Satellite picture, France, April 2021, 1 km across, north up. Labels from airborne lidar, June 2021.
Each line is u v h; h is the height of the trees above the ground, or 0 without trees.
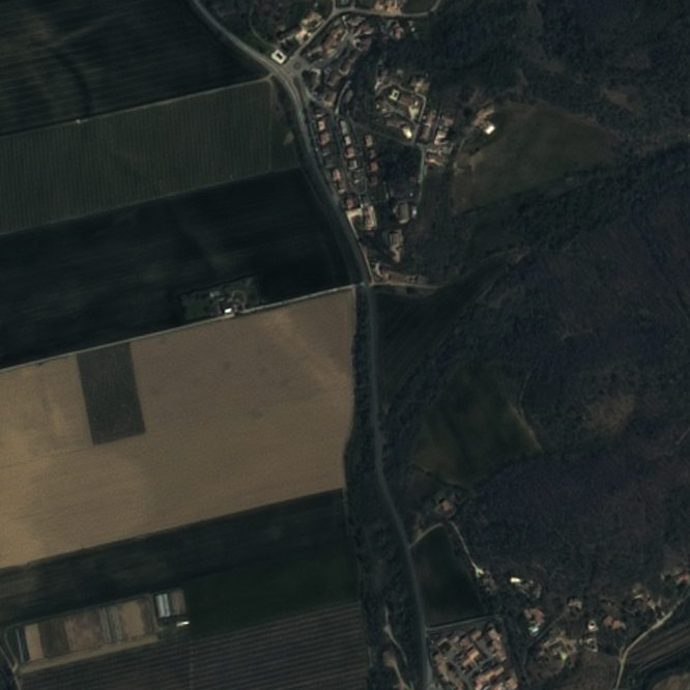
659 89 21
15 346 0
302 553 0
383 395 0
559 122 0
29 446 0
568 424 7
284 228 0
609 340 15
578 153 0
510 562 14
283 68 0
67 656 0
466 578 0
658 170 15
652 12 6
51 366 0
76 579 0
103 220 0
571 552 16
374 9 0
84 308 0
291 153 0
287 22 7
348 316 0
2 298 0
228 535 0
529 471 15
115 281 0
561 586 6
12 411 0
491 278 0
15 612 0
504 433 0
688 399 11
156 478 0
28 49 0
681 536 10
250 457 0
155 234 0
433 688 0
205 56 0
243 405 0
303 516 0
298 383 0
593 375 12
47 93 0
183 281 0
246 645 6
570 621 12
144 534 0
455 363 12
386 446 6
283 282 0
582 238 10
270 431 0
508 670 0
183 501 0
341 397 0
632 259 14
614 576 11
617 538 11
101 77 0
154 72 0
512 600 15
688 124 13
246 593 0
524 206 7
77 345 0
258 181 0
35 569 0
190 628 0
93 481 0
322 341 0
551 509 16
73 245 0
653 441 13
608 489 12
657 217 14
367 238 10
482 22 16
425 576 0
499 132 0
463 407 0
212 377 0
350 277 0
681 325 14
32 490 0
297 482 0
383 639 10
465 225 8
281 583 0
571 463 13
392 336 0
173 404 0
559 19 7
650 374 7
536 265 11
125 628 0
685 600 6
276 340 0
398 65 10
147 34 0
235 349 0
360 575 0
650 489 14
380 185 0
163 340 0
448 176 12
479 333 8
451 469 0
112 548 0
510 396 0
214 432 0
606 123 13
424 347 0
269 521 0
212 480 0
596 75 16
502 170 0
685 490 20
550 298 15
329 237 0
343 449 0
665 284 8
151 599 0
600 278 7
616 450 19
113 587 0
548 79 6
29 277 0
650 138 13
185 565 0
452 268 16
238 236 0
